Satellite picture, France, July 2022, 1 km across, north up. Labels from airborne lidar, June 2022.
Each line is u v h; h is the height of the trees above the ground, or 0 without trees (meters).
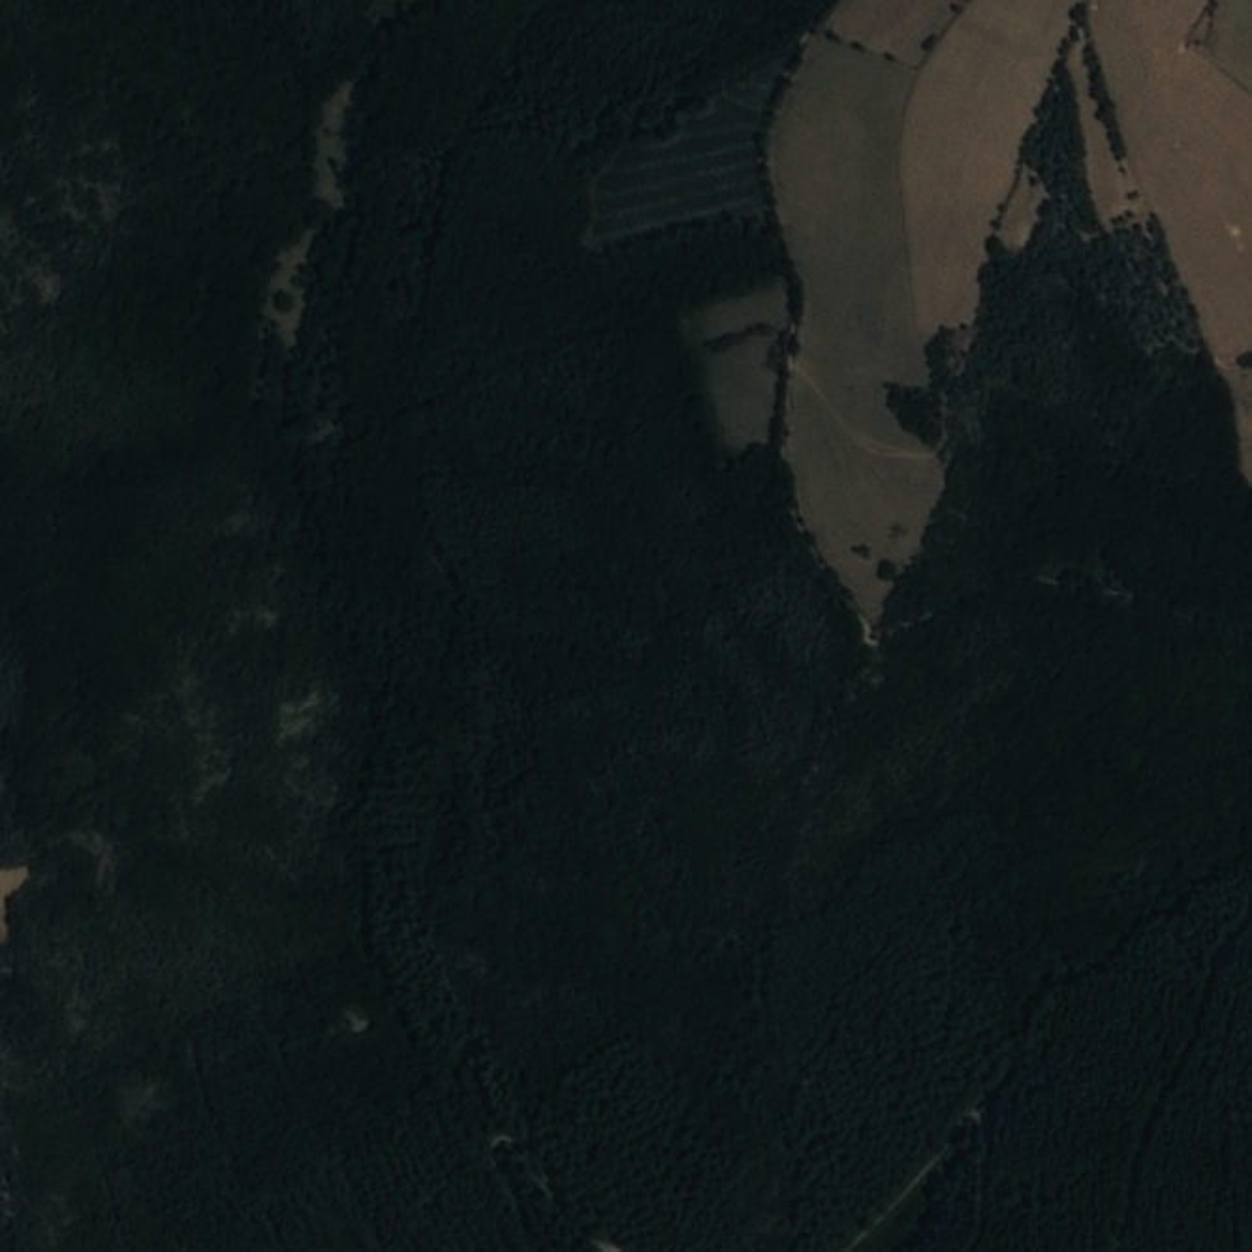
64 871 13
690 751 17
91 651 18
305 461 23
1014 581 16
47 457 15
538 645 11
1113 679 16
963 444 6
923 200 0
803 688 17
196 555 15
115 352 14
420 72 21
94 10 20
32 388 11
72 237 13
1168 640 16
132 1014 15
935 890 24
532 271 20
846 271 0
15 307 8
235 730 7
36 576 18
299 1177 16
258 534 13
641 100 13
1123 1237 13
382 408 12
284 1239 16
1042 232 16
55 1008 12
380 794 32
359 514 24
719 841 13
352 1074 22
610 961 22
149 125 16
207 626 10
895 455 0
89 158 8
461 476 24
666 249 20
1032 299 16
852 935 26
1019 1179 13
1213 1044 21
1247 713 15
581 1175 38
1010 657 21
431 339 16
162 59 18
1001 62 0
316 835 15
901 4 0
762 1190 9
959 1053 33
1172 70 0
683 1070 15
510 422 20
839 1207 41
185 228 13
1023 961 22
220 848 15
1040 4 0
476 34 17
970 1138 25
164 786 14
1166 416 14
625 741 11
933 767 16
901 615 7
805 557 10
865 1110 32
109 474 30
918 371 0
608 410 21
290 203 22
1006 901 19
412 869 27
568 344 24
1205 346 8
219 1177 11
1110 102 9
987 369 10
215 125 19
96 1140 10
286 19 13
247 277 26
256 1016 11
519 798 17
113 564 23
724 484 13
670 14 14
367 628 23
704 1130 17
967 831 23
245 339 26
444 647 8
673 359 18
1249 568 17
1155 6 0
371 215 27
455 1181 25
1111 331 10
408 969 37
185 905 13
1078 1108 22
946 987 29
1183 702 16
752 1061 14
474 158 24
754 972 18
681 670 19
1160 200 0
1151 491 16
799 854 10
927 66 0
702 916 12
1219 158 0
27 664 16
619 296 21
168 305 25
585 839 18
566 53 15
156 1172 8
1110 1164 23
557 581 16
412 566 25
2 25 14
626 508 17
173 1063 15
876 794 14
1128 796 17
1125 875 10
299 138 19
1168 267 10
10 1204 8
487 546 28
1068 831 23
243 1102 20
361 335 15
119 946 10
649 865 21
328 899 16
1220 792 18
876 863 24
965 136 0
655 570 13
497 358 16
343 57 26
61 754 11
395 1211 22
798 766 10
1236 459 14
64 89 15
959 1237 30
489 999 14
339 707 18
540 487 24
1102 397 12
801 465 0
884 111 0
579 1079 32
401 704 24
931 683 15
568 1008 13
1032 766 22
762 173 13
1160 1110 14
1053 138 14
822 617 15
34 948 10
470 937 8
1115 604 14
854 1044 27
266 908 18
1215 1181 14
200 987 14
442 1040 34
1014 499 11
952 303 0
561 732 17
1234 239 0
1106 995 25
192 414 18
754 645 18
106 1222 10
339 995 12
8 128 13
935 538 7
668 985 17
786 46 11
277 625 10
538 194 24
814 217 0
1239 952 25
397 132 23
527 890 17
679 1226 32
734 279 17
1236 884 33
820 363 0
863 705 11
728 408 0
